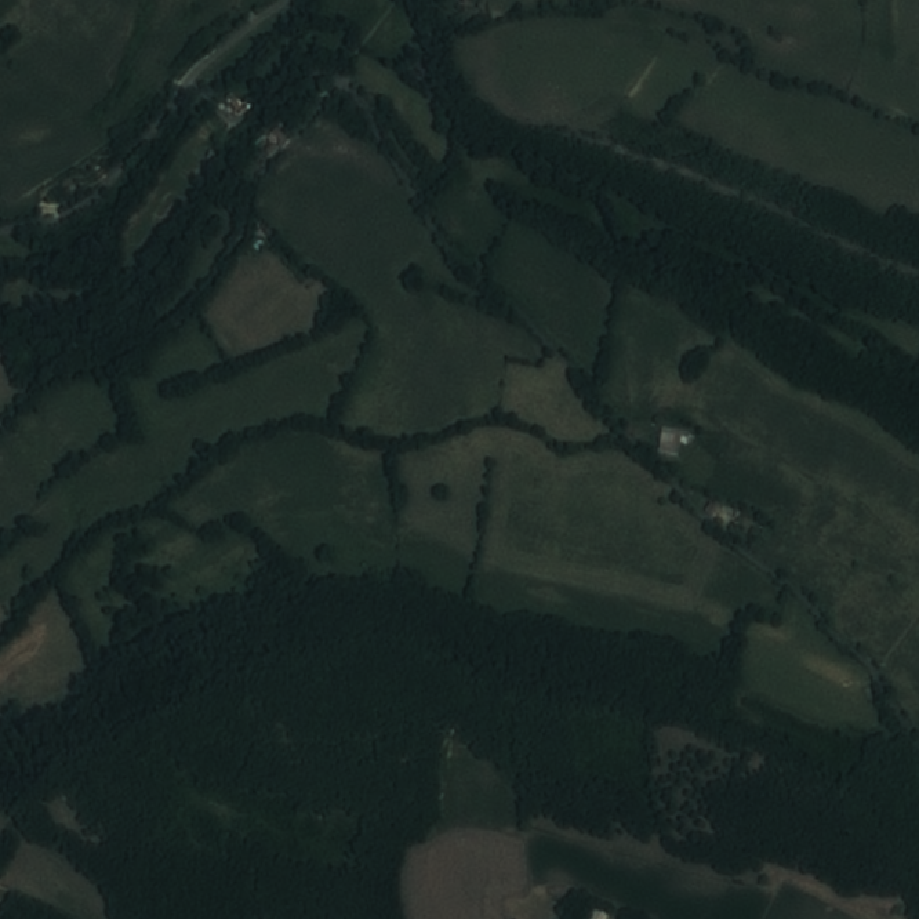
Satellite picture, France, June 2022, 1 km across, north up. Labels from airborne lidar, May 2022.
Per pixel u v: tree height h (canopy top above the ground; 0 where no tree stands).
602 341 13
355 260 0
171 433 0
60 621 0
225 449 14
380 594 17
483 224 0
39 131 0
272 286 0
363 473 0
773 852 13
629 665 21
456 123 16
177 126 13
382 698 13
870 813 13
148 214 0
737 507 7
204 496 0
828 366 16
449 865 0
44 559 0
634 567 0
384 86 0
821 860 18
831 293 22
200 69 0
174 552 0
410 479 0
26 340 17
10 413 9
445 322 0
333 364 0
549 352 11
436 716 11
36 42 0
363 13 0
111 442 20
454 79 13
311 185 0
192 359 0
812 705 0
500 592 0
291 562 15
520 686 17
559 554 0
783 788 10
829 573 0
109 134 12
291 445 0
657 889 0
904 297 13
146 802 11
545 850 0
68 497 0
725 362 0
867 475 0
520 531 0
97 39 0
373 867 15
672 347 0
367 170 0
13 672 0
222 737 6
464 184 0
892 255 8
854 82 0
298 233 0
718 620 0
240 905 8
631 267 26
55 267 27
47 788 12
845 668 0
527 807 16
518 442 0
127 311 16
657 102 0
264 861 8
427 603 20
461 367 0
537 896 0
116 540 12
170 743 9
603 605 0
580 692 21
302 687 10
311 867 10
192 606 10
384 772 12
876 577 0
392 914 20
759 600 0
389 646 10
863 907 0
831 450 0
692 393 0
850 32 0
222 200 18
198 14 0
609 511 0
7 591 0
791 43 0
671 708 19
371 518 0
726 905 0
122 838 10
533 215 25
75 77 0
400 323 0
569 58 0
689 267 26
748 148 0
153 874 9
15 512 0
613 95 0
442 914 0
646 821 17
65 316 22
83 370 12
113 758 14
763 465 0
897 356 14
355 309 15
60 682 0
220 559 0
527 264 0
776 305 18
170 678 19
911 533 0
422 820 17
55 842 18
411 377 0
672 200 14
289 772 12
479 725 12
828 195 13
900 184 0
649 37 0
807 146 0
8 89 0
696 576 0
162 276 23
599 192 25
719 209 14
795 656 0
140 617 14
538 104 0
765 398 0
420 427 0
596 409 17
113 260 22
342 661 11
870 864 16
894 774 13
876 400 13
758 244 18
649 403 0
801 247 15
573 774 15
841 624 0
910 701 0
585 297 0
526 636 22
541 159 17
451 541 0
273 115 19
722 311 16
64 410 0
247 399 0
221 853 7
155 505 12
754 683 0
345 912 13
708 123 0
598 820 18
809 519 0
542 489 0
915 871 11
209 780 10
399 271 0
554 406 0
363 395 0
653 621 0
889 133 0
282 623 20
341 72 15
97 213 11
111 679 27
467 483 0
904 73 0
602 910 11
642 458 17
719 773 9
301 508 0
